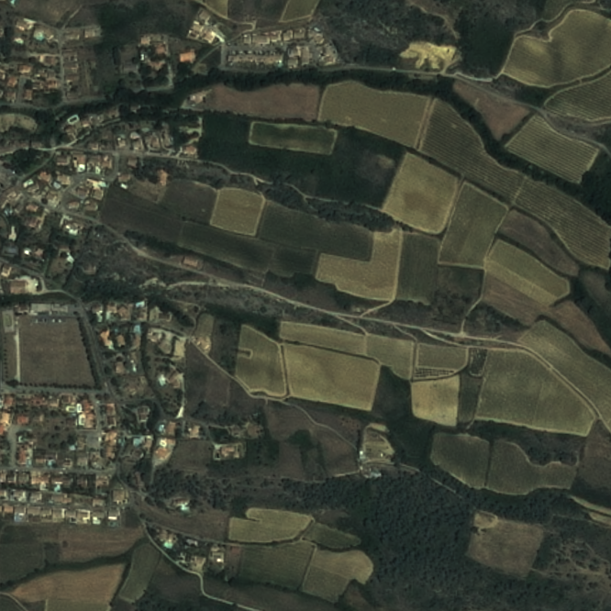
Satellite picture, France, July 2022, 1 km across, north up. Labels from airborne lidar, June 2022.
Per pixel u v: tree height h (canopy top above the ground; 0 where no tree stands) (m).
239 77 7
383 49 8
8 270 0
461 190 0
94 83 6
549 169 0
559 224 0
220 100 0
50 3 0
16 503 0
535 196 0
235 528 0
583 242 0
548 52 0
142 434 6
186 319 13
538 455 14
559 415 0
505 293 0
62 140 11
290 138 0
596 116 0
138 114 10
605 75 0
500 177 0
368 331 0
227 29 0
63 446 10
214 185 9
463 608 6
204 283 0
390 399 0
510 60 0
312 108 0
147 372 6
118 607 0
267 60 0
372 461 0
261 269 0
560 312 0
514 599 13
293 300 0
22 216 7
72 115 6
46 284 0
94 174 0
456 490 9
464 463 0
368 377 0
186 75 8
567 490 7
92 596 0
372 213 7
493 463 0
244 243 0
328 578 0
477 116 16
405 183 0
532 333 0
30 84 9
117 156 0
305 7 0
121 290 11
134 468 7
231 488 10
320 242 0
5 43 13
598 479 0
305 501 11
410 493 13
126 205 0
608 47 0
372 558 6
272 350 0
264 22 0
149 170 12
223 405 0
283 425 0
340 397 0
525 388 0
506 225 0
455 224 0
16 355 0
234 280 0
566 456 14
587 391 0
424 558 13
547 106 0
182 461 0
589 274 0
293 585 0
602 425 0
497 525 0
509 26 13
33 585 0
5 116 0
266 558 0
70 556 0
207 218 0
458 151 0
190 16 0
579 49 0
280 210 0
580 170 0
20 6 0
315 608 0
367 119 0
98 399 8
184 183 0
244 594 0
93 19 0
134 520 0
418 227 0
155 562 0
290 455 0
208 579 0
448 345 0
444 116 0
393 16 8
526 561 0
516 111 0
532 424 0
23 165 9
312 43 0
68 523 0
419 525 12
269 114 0
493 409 0
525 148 0
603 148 0
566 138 0
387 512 15
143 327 11
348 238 0
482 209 0
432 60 0
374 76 6
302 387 0
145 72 13
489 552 0
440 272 0
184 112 10
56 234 7
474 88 0
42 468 0
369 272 0
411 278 0
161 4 0
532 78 0
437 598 8
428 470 14
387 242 0
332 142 0
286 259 0
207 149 5
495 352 0
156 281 0
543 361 0
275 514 0
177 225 0
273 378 0
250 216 0
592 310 14
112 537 0
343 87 0
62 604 0
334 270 0
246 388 0
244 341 0
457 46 7
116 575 0
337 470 0
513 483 0
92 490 6
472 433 7
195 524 0
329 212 8
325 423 0
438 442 0
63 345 0
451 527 11
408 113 0
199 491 13
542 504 8
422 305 9
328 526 6
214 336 0
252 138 0
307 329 0
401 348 0
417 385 0
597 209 10
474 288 0
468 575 13
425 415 0
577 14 0
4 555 0
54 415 11
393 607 0
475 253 0
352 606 0
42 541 0
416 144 0
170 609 8
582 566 9
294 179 12
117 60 11
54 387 6
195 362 0
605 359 8
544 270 0
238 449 0
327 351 0
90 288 12
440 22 6
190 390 0
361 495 9
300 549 0
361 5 6
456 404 0
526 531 0
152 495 8
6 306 7
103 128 7
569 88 0
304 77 22
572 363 0
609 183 6
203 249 0
